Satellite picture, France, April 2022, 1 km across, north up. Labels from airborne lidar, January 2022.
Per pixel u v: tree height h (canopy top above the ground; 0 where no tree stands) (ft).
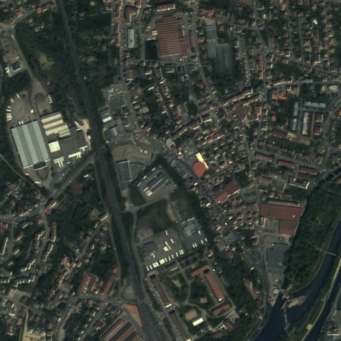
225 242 0
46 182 0
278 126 0
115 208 0
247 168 21
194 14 0
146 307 0
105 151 0
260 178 0
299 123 0
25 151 0
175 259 0
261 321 0
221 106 0
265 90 0
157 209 0
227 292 0
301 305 0
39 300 46
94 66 0
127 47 0
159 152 0
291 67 0
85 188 0
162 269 0
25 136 0
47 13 0
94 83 54
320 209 76
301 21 0
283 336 42
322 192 77
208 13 0
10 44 0
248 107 0
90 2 0
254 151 0
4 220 0
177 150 0
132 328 0
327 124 0
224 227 0
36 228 77
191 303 0
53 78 0
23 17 0
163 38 0
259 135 0
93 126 0
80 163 49
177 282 0
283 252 0
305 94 37
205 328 55
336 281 0
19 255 0
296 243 71
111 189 0
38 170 0
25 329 0
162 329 0
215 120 0
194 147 0
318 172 0
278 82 0
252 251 0
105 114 0
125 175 0
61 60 31
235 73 0
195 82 0
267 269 0
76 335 0
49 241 0
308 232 74
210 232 0
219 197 0
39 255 0
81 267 0
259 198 0
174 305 0
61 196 0
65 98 0
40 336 0
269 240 0
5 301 0
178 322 0
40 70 32
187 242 0
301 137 0
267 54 0
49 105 0
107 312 0
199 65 0
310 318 37
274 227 0
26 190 0
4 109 46
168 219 0
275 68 0
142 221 0
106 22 0
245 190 0
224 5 0
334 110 0
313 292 0
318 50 0
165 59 0
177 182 54
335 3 0
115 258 42
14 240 0
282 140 22
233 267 86
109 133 0
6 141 19
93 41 31
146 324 0
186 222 0
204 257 0
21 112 0
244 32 35
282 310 0
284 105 0
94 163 0
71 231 73
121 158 0
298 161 0
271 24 31
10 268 0
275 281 0
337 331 0
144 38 0
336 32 0
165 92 0
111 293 0
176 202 0
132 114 0
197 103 0
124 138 0
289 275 80
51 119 0
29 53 0
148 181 0
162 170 0
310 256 86
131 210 0
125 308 0
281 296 0
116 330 0
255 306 0
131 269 0
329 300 0
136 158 0
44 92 0
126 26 0
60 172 0
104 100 0
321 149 0
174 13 20
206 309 0
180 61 0
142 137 0
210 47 0
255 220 0
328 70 0
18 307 0
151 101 0
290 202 0
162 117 0
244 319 65
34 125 0
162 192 0
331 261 0
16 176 0
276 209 0
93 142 0
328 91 0
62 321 0
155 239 0
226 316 0
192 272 0
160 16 0
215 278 0
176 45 0
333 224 33
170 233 0
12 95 52
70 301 0
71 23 26
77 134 0
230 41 0
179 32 0
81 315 33
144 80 0
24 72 0
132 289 0
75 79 41
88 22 0
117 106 0
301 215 0
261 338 0
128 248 0
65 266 0
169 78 0
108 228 0
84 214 62
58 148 0
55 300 0
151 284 0
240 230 21
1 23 0
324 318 0
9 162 50
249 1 0
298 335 45
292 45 0
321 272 0
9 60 0
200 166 0
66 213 30
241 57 0
